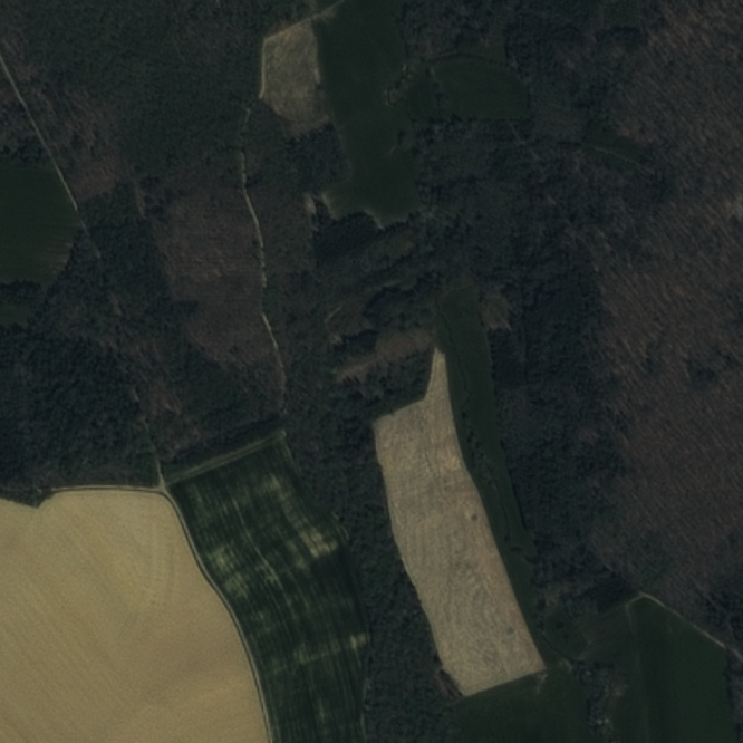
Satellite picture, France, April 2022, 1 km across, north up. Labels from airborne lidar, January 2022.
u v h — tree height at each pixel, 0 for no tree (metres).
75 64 17
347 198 0
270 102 0
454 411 0
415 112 0
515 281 18
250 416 18
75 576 0
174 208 15
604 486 19
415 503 0
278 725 0
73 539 0
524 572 0
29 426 15
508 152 11
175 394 28
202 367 21
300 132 0
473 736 0
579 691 0
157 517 0
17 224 0
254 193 10
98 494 0
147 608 0
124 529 0
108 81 16
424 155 19
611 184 28
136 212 18
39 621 0
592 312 19
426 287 20
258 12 20
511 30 7
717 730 0
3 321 0
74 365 22
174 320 22
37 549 0
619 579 16
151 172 16
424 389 13
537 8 21
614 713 0
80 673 0
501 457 0
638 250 19
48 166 22
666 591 24
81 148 19
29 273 0
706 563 26
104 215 16
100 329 30
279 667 0
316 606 0
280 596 0
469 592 0
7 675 0
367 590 15
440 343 0
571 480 16
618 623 0
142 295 19
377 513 11
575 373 17
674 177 26
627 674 0
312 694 0
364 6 0
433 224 17
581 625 26
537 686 0
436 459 0
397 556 18
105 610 0
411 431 0
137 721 0
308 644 0
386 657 22
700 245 26
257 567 0
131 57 17
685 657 0
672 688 0
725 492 25
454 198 24
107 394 22
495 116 0
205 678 0
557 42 24
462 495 0
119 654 0
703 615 25
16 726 0
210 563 0
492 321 0
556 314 19
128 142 15
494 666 0
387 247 8
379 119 0
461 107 0
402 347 0
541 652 0
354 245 16
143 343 29
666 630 0
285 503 0
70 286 25
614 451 22
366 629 0
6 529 0
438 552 0
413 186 0
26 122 27
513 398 15
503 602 0
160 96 16
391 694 17
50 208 0
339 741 0
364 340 16
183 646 0
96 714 0
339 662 0
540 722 0
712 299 27
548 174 25
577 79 21
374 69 0
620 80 23
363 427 28
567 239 14
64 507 0
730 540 23
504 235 16
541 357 20
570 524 16
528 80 20
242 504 0
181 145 17
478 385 0
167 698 0
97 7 19
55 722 0
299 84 0
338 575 0
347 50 0
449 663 0
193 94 14
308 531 0
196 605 0
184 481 0
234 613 0
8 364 25
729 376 24
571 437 20
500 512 0
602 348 24
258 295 13
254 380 19
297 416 21
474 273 19
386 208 0
